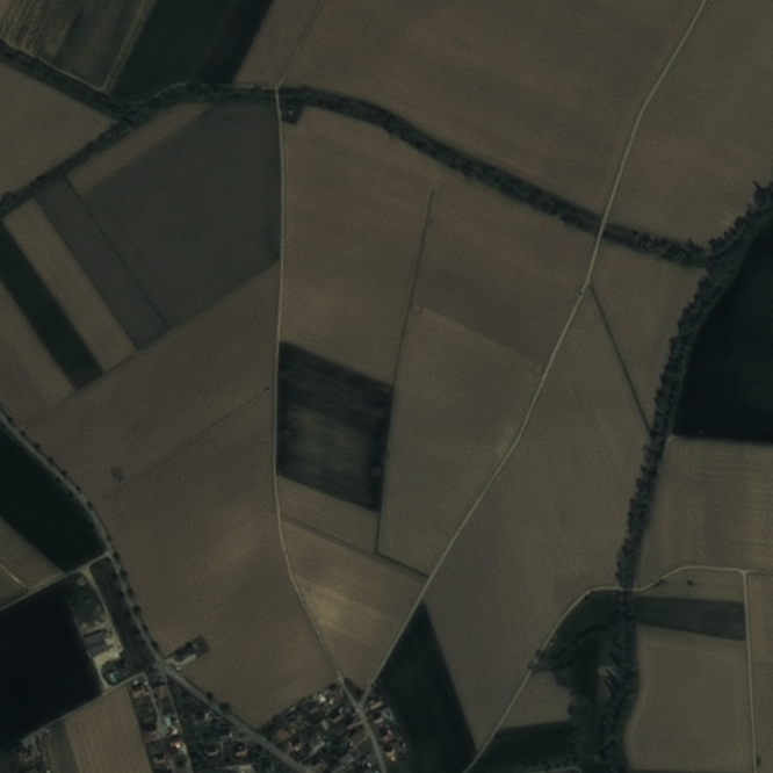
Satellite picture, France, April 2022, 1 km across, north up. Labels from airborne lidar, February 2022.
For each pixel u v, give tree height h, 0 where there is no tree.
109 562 10
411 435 0
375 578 0
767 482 0
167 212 0
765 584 0
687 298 0
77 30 0
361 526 0
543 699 0
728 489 0
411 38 0
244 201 0
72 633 0
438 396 0
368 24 0
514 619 0
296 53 0
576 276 0
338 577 0
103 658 0
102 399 0
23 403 0
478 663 0
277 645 0
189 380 0
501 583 0
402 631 0
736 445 0
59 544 0
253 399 0
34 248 0
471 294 0
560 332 0
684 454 0
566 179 0
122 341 0
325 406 0
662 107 0
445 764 0
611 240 9
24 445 0
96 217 0
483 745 0
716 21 0
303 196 0
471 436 0
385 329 0
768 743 0
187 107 0
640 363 0
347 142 0
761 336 0
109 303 0
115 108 8
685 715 0
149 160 0
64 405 0
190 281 0
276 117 0
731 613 0
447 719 0
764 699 0
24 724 0
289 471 0
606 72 0
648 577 0
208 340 0
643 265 0
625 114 0
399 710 0
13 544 0
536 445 0
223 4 0
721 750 0
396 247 0
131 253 0
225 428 0
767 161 0
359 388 0
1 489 0
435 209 0
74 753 0
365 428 0
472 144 0
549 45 0
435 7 0
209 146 0
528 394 0
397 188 0
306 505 0
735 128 0
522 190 14
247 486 0
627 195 0
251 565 0
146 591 0
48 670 0
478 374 0
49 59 0
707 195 0
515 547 0
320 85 0
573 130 0
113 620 0
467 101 0
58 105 0
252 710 0
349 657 0
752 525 0
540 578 0
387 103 0
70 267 0
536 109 0
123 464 0
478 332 0
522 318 0
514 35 0
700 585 0
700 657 0
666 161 0
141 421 0
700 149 0
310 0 0
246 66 0
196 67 0
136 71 0
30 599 0
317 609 0
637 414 0
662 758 0
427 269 0
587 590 0
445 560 0
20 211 0
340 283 0
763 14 0
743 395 0
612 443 0
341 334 0
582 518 0
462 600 0
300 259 0
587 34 0
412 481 0
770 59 0
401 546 0
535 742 0
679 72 0
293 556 0
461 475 0
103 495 0
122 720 0
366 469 0
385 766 0
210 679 0
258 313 0
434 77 0
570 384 0
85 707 0
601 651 0
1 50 14
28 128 0
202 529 0
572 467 0
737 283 0
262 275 0
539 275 0
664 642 0
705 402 0
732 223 0
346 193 0
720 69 0
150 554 0
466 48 0
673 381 8
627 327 0
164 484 0
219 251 0
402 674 0
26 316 0
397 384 0
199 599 0
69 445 0
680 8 0
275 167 0
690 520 0
